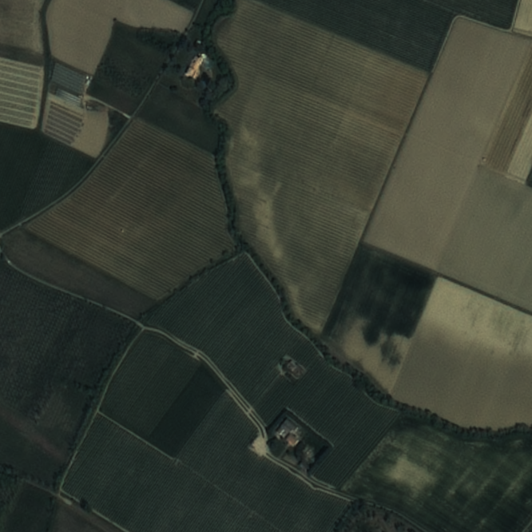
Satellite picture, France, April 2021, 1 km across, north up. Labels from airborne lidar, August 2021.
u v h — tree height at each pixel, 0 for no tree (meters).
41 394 0
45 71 0
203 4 0
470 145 0
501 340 0
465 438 14
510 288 0
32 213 0
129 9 0
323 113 0
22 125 0
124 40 0
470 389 0
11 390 18
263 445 0
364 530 0
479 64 0
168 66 10
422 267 0
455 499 0
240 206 0
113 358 10
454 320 0
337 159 0
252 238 0
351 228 0
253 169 0
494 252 0
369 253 0
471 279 0
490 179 0
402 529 16
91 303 7
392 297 0
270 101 0
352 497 0
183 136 0
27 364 18
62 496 0
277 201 0
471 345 0
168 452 0
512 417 0
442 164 0
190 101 0
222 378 0
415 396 0
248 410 0
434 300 0
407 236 0
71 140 0
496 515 0
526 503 0
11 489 28
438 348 0
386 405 19
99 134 0
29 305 13
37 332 14
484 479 0
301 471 0
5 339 13
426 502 0
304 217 0
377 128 0
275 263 0
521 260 0
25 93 0
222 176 13
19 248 0
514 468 0
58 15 0
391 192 0
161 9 0
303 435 0
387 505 0
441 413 0
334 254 0
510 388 0
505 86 0
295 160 0
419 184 0
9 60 0
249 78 0
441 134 0
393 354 0
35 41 0
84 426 20
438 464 0
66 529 0
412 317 0
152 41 12
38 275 0
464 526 0
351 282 0
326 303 0
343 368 15
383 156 0
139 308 0
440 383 0
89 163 0
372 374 0
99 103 0
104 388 12
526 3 0
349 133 0
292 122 0
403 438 0
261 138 0
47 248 0
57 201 0
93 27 0
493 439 11
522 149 0
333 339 0
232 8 13
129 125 0
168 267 0
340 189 0
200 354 0
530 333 0
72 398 0
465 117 0
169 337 0
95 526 0
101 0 0
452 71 0
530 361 0
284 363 9
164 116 0
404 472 0
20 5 0
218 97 17
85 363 16
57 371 16
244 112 0
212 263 11
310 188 0
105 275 0
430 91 0
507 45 0
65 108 0
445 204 0
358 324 0
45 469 0
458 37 0
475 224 0
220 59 14
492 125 0
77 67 0
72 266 0
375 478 0
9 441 0
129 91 6
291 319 10
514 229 0
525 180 0
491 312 0
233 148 0
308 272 0
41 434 0
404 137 0
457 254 0
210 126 0
